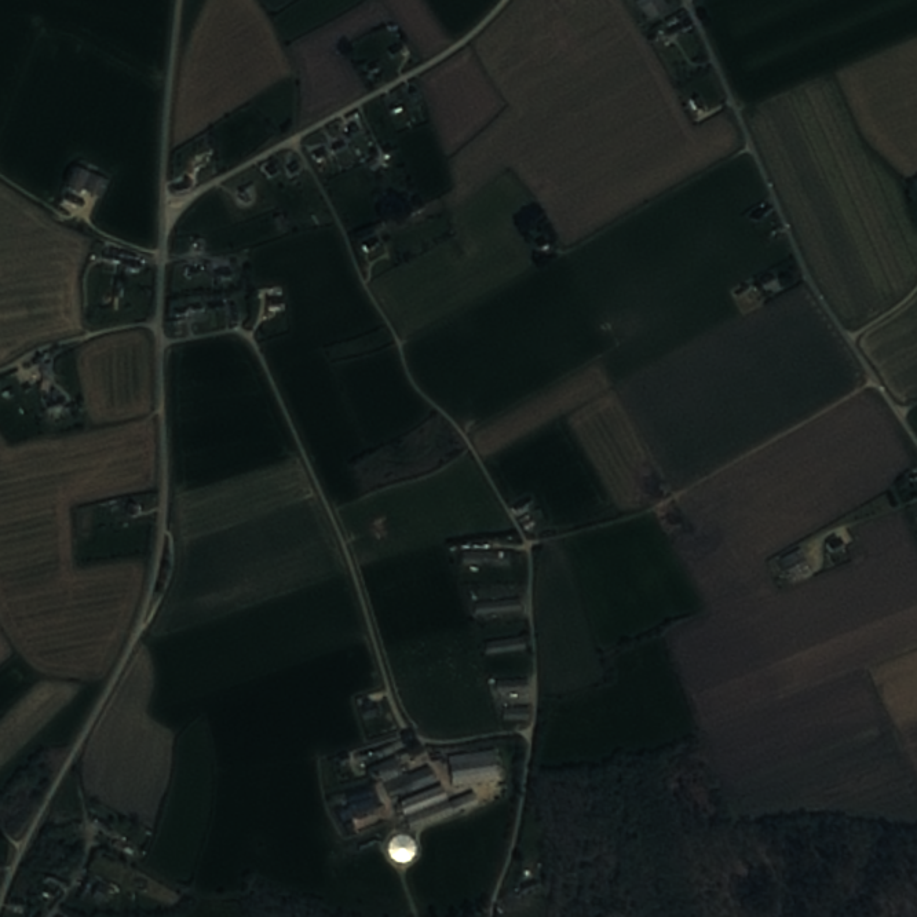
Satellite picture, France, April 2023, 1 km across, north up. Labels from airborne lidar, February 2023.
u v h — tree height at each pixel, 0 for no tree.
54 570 0
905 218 0
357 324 0
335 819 0
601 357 0
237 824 0
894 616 0
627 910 6
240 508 0
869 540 0
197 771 0
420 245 0
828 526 0
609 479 0
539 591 0
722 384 0
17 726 0
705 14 11
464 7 0
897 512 0
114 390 0
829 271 0
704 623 0
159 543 0
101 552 0
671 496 0
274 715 0
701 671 0
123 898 0
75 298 0
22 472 0
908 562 0
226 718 0
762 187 0
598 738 0
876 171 0
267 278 0
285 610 0
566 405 0
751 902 16
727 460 0
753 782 0
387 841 0
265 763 0
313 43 0
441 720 0
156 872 0
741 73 0
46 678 0
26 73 0
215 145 10
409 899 0
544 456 0
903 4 0
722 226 0
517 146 0
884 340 0
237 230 0
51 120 0
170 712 0
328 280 0
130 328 0
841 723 0
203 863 0
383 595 0
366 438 0
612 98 0
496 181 0
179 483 0
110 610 0
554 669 0
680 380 0
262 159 0
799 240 0
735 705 0
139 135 0
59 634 0
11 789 7
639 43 0
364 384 0
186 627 0
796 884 16
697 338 0
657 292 0
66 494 0
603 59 0
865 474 0
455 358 0
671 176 0
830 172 0
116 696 0
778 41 0
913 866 24
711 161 0
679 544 0
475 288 0
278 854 0
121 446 0
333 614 0
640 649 0
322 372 0
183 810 0
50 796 0
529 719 0
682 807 10
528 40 0
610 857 10
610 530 0
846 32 0
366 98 0
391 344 0
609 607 0
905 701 0
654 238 0
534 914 0
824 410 0
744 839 12
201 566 0
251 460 0
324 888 0
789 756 0
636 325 0
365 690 0
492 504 0
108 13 0
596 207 0
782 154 0
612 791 9
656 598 0
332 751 0
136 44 0
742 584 0
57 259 0
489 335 0
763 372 0
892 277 0
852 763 0
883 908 18
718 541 0
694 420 0
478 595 0
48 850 7
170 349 0
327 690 0
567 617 0
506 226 0
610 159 0
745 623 0
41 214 0
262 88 0
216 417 0
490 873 0
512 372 0
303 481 0
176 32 0
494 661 0
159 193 0
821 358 0
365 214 0
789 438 0
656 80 0
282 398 0
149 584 0
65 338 0
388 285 0
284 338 0
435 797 0
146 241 0
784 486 0
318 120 0
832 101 0
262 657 0
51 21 0
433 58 0
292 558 0
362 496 0
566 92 0
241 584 0
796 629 0
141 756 0
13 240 0
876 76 0
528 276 0
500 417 0
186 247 0
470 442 0
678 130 0
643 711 0
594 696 0
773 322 0
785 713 0
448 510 0
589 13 0
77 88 0
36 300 0
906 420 0
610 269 0
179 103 0
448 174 0
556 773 8
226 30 0
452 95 0
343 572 0
